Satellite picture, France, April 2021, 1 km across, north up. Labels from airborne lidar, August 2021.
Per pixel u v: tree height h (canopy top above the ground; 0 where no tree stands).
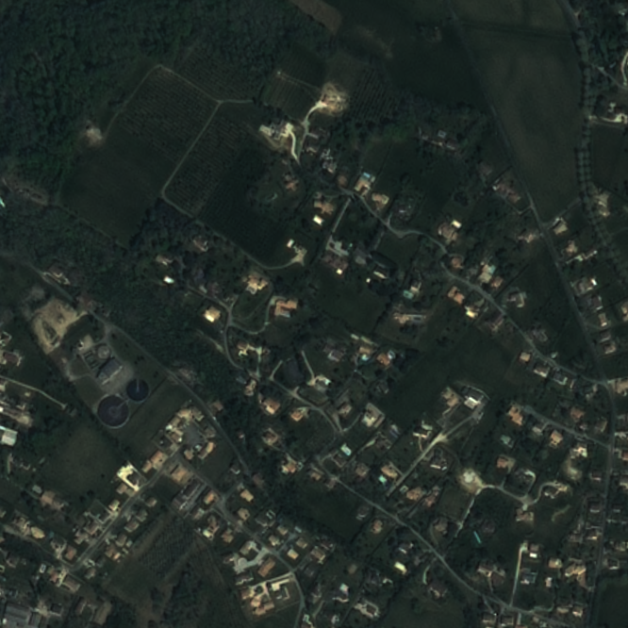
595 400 10
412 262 8
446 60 0
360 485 9
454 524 10
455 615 0
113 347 0
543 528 0
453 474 11
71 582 0
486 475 7
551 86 0
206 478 0
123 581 0
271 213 6
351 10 0
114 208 0
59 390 12
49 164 24
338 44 18
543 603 0
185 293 13
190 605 16
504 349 0
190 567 10
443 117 11
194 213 0
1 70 19
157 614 10
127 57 21
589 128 11
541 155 0
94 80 27
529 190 0
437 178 0
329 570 0
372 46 0
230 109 0
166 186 0
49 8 25
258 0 23
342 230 0
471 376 0
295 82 0
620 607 0
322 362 0
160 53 22
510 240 6
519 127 0
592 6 16
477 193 13
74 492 0
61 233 16
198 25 17
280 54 18
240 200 0
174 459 0
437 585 0
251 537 0
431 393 0
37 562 13
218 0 27
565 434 10
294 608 0
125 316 16
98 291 9
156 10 23
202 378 9
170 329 7
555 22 0
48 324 0
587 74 20
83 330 0
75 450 0
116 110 11
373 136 16
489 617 0
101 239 12
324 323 7
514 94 0
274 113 11
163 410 0
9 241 18
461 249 0
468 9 0
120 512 0
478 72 0
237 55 15
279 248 0
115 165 0
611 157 0
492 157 0
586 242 0
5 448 8
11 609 0
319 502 0
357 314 0
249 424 20
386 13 0
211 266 9
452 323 9
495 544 0
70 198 0
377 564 7
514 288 0
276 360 11
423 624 0
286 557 0
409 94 16
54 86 19
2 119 19
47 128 8
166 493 0
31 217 22
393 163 0
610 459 0
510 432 0
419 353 11
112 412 0
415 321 0
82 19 19
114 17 14
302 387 9
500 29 0
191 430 0
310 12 0
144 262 15
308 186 8
